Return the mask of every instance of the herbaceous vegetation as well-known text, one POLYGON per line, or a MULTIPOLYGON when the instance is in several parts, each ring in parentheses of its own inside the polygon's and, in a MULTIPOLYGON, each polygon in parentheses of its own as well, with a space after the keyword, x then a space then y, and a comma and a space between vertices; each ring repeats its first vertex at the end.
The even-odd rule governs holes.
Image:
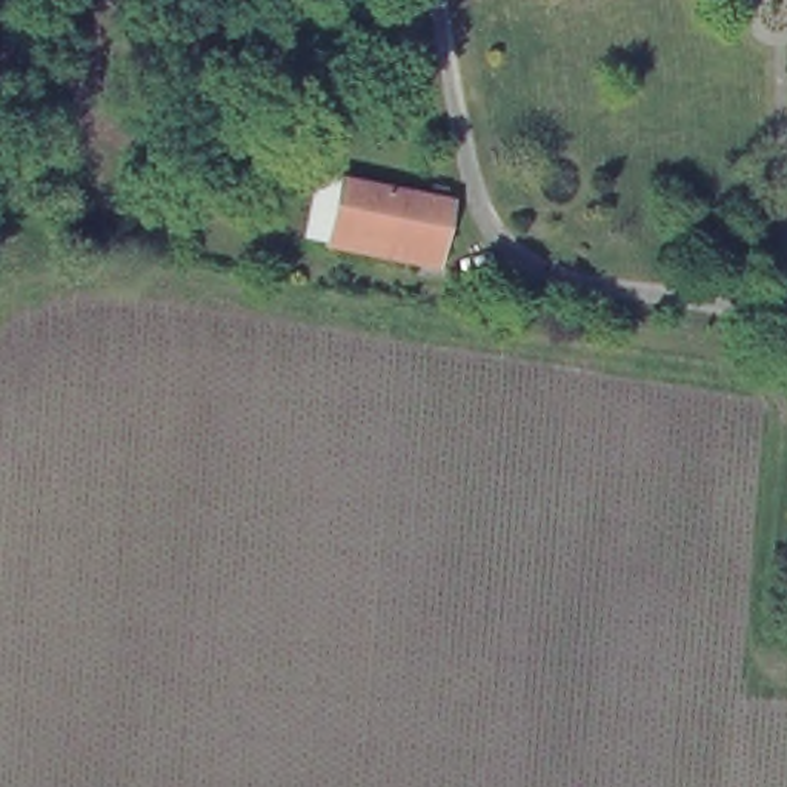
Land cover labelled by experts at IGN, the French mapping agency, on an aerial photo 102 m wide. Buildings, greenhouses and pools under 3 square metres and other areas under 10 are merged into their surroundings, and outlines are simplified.
POLYGON ((221 224, 206 231, 209 249, 224 255, 240 252, 246 240, 240 237, 240 224, 221 224))
POLYGON ((741 655, 741 692, 759 701, 787 701, 787 636, 781 633, 781 621, 769 606, 772 587, 759 572, 765 572, 775 563, 778 541, 787 538, 787 397, 759 397, 762 440, 756 470, 753 569, 741 655))
POLYGON ((255 310, 264 301, 261 289, 240 283, 231 267, 194 264, 184 277, 172 277, 172 267, 160 264, 160 255, 148 267, 138 267, 135 274, 120 280, 111 274, 105 261, 98 261, 95 267, 83 271, 86 289, 92 295, 114 301, 181 298, 184 304, 197 307, 255 310))
POLYGON ((298 240, 295 234, 277 231, 261 234, 249 243, 255 258, 271 255, 292 271, 292 277, 280 286, 280 301, 267 310, 271 317, 289 323, 341 326, 363 335, 387 335, 412 344, 489 350, 467 326, 461 326, 458 320, 443 320, 437 304, 421 304, 415 295, 350 295, 326 292, 320 289, 320 283, 310 283, 304 277, 307 271, 323 277, 347 252, 329 249, 326 243, 307 237, 298 240))
POLYGON ((455 166, 446 175, 418 175, 413 166, 413 140, 400 126, 394 135, 378 132, 344 148, 350 160, 350 178, 452 197, 455 234, 446 264, 470 271, 483 261, 492 243, 480 234, 473 215, 467 212, 467 191, 464 181, 458 181, 455 166))
POLYGON ((772 255, 778 271, 787 274, 787 218, 769 224, 762 234, 765 252, 772 255))
POLYGON ((105 28, 123 9, 123 0, 86 0, 86 9, 77 12, 74 25, 89 40, 89 68, 77 80, 46 83, 43 98, 52 111, 68 111, 80 151, 77 172, 83 191, 83 215, 74 218, 68 227, 83 240, 92 240, 101 252, 132 243, 135 231, 141 227, 135 218, 120 215, 114 209, 114 160, 126 148, 132 148, 132 138, 120 132, 117 123, 92 111, 92 98, 101 92, 108 71, 111 40, 105 28))
POLYGON ((633 329, 621 344, 612 344, 606 338, 553 341, 544 329, 529 329, 529 338, 513 354, 529 363, 590 369, 612 378, 643 378, 707 394, 744 394, 726 375, 726 363, 719 357, 722 326, 716 314, 707 314, 704 304, 686 304, 686 314, 673 332, 667 326, 655 326, 649 317, 633 329))
POLYGON ((421 283, 430 295, 443 292, 446 271, 424 274, 418 264, 354 255, 350 264, 363 277, 421 283))
POLYGON ((772 49, 759 43, 750 31, 741 40, 729 37, 716 43, 701 31, 679 31, 673 25, 673 12, 679 0, 467 0, 470 31, 464 49, 458 52, 467 101, 464 117, 470 123, 467 135, 477 141, 480 172, 492 194, 492 203, 498 215, 510 221, 507 237, 538 240, 547 249, 547 255, 560 261, 587 261, 596 271, 615 277, 621 289, 633 289, 639 280, 655 283, 652 264, 658 261, 658 246, 667 240, 658 237, 643 218, 643 191, 649 191, 655 181, 679 181, 686 197, 704 203, 716 191, 716 181, 729 188, 738 184, 732 178, 732 169, 738 160, 756 151, 750 132, 772 114, 772 49), (636 77, 643 86, 624 98, 621 111, 584 114, 581 101, 587 101, 596 92, 590 80, 603 65, 609 65, 609 49, 633 43, 646 43, 652 52, 652 71, 646 77, 636 77), (553 166, 538 144, 523 148, 516 154, 507 154, 501 144, 501 135, 520 126, 520 120, 532 111, 547 111, 569 135, 566 154, 578 166, 578 191, 569 203, 550 203, 544 197, 553 166), (593 175, 612 157, 624 160, 624 169, 618 175, 618 203, 609 209, 587 209, 587 200, 599 197, 593 188, 593 175))
POLYGON ((0 246, 0 323, 9 320, 15 310, 31 310, 46 298, 68 292, 46 271, 46 246, 25 227, 18 227, 15 237, 9 237, 0 246))

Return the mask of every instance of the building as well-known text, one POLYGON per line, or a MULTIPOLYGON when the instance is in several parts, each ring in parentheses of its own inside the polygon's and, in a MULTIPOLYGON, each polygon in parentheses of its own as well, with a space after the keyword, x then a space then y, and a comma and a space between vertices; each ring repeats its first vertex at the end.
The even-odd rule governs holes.
POLYGON ((326 243, 329 249, 347 252, 354 255, 418 264, 424 274, 446 271, 446 264, 455 234, 452 197, 350 178, 332 181, 314 194, 307 237, 326 243))

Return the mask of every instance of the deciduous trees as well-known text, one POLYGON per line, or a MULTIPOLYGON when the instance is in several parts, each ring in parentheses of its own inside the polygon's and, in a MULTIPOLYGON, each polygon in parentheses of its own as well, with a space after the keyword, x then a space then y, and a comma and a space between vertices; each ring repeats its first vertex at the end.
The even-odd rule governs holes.
POLYGON ((701 31, 716 43, 729 37, 741 40, 750 31, 753 9, 759 6, 759 0, 679 0, 673 12, 673 25, 679 31, 701 31))
POLYGON ((578 191, 578 166, 566 154, 569 135, 547 111, 532 111, 520 120, 520 126, 501 135, 501 144, 507 154, 516 154, 523 148, 538 144, 553 166, 544 197, 550 203, 569 203, 578 191))
POLYGON ((520 289, 523 277, 516 267, 501 271, 495 261, 483 261, 470 271, 446 264, 446 271, 443 292, 430 295, 421 283, 363 277, 350 264, 354 255, 347 252, 323 277, 307 271, 304 277, 310 283, 320 283, 320 289, 326 292, 350 295, 415 295, 421 304, 437 304, 443 320, 458 320, 461 326, 467 326, 489 350, 513 354, 529 338, 529 329, 544 329, 553 341, 606 338, 612 344, 621 344, 633 329, 599 295, 578 295, 569 283, 547 283, 541 295, 529 295, 520 289))
POLYGON ((652 71, 652 52, 646 43, 633 43, 609 49, 609 65, 603 65, 590 80, 596 92, 587 101, 581 101, 584 114, 621 111, 624 98, 643 86, 636 77, 646 77, 652 71))
POLYGON ((609 209, 618 203, 618 175, 624 169, 624 160, 612 157, 593 175, 593 188, 599 197, 587 200, 587 209, 609 209))
POLYGON ((744 394, 759 397, 787 397, 787 274, 778 271, 772 255, 765 252, 762 234, 769 224, 787 218, 787 111, 772 114, 750 132, 756 151, 738 160, 732 169, 732 178, 738 184, 729 188, 716 181, 716 191, 704 203, 686 197, 679 181, 655 181, 649 191, 643 191, 643 218, 658 237, 667 240, 658 246, 658 261, 652 264, 655 283, 673 292, 676 301, 649 317, 655 326, 667 326, 673 332, 686 314, 686 304, 704 304, 707 314, 716 314, 722 326, 719 357, 726 363, 726 375, 744 394))
POLYGON ((787 636, 787 538, 778 541, 775 563, 765 572, 759 572, 772 587, 769 606, 781 621, 781 633, 787 636))
POLYGON ((89 40, 74 25, 77 12, 86 9, 86 0, 0 0, 0 246, 9 237, 15 237, 18 227, 25 227, 46 246, 46 271, 68 292, 86 289, 83 271, 95 267, 98 261, 105 261, 111 274, 120 280, 135 274, 138 267, 148 267, 160 255, 160 264, 172 267, 172 277, 184 277, 194 264, 231 267, 240 283, 261 289, 264 301, 255 310, 267 310, 280 301, 280 286, 292 277, 292 271, 271 255, 255 258, 249 243, 261 234, 277 231, 295 234, 298 240, 307 237, 314 194, 332 181, 350 178, 350 160, 344 148, 378 132, 394 135, 400 126, 413 140, 413 166, 418 175, 446 175, 455 166, 458 144, 467 135, 470 123, 464 117, 446 114, 440 86, 443 71, 430 65, 424 49, 424 43, 430 40, 430 22, 421 12, 427 12, 437 0, 123 0, 123 9, 105 28, 111 40, 108 71, 101 92, 92 98, 92 111, 117 123, 120 132, 132 138, 132 148, 126 148, 114 160, 114 209, 120 215, 135 218, 141 227, 135 231, 132 243, 101 252, 92 240, 83 240, 68 227, 74 218, 83 215, 83 191, 77 172, 80 151, 68 111, 52 111, 43 98, 46 83, 77 80, 89 68, 89 40), (246 240, 240 252, 224 255, 209 249, 206 231, 221 224, 240 224, 240 237, 246 240))

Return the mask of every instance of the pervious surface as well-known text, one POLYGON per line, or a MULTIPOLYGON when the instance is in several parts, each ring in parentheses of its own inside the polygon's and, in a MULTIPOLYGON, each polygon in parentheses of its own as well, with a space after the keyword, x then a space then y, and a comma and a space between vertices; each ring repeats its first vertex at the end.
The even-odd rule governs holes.
POLYGON ((750 31, 759 43, 772 49, 772 114, 787 111, 787 0, 759 0, 759 6, 753 9, 750 31))

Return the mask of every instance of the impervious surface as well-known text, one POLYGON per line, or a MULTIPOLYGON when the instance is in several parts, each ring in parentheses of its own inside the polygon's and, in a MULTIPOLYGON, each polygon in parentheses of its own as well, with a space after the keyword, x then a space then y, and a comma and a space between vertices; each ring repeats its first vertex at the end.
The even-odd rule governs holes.
POLYGON ((458 181, 464 181, 467 191, 467 212, 473 215, 480 234, 492 243, 483 261, 495 261, 501 271, 516 267, 523 277, 520 289, 529 295, 541 295, 547 283, 569 283, 578 295, 599 295, 633 329, 649 317, 676 301, 673 292, 655 283, 639 280, 633 289, 621 289, 615 277, 596 271, 587 261, 560 261, 547 255, 547 249, 538 240, 507 237, 510 221, 498 215, 492 203, 492 194, 480 172, 477 141, 467 135, 458 144, 455 166, 458 181))
POLYGON ((430 40, 424 43, 424 49, 430 65, 443 71, 440 86, 446 114, 464 117, 467 101, 458 52, 464 49, 470 31, 467 0, 437 0, 427 12, 421 12, 430 22, 430 40))

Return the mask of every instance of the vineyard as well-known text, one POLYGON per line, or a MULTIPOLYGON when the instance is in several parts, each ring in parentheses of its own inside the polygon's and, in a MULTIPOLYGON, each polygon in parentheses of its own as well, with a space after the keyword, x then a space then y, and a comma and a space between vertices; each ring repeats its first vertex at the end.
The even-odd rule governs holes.
POLYGON ((412 344, 387 335, 363 335, 341 326, 289 323, 271 317, 267 310, 255 310, 197 307, 184 304, 181 298, 114 301, 92 295, 86 289, 68 292, 46 298, 31 310, 15 310, 9 320, 0 323, 0 787, 787 787, 787 701, 759 701, 741 692, 741 655, 753 569, 756 470, 762 440, 759 397, 744 394, 707 394, 643 378, 612 378, 590 369, 529 363, 513 354, 489 350, 412 344))

